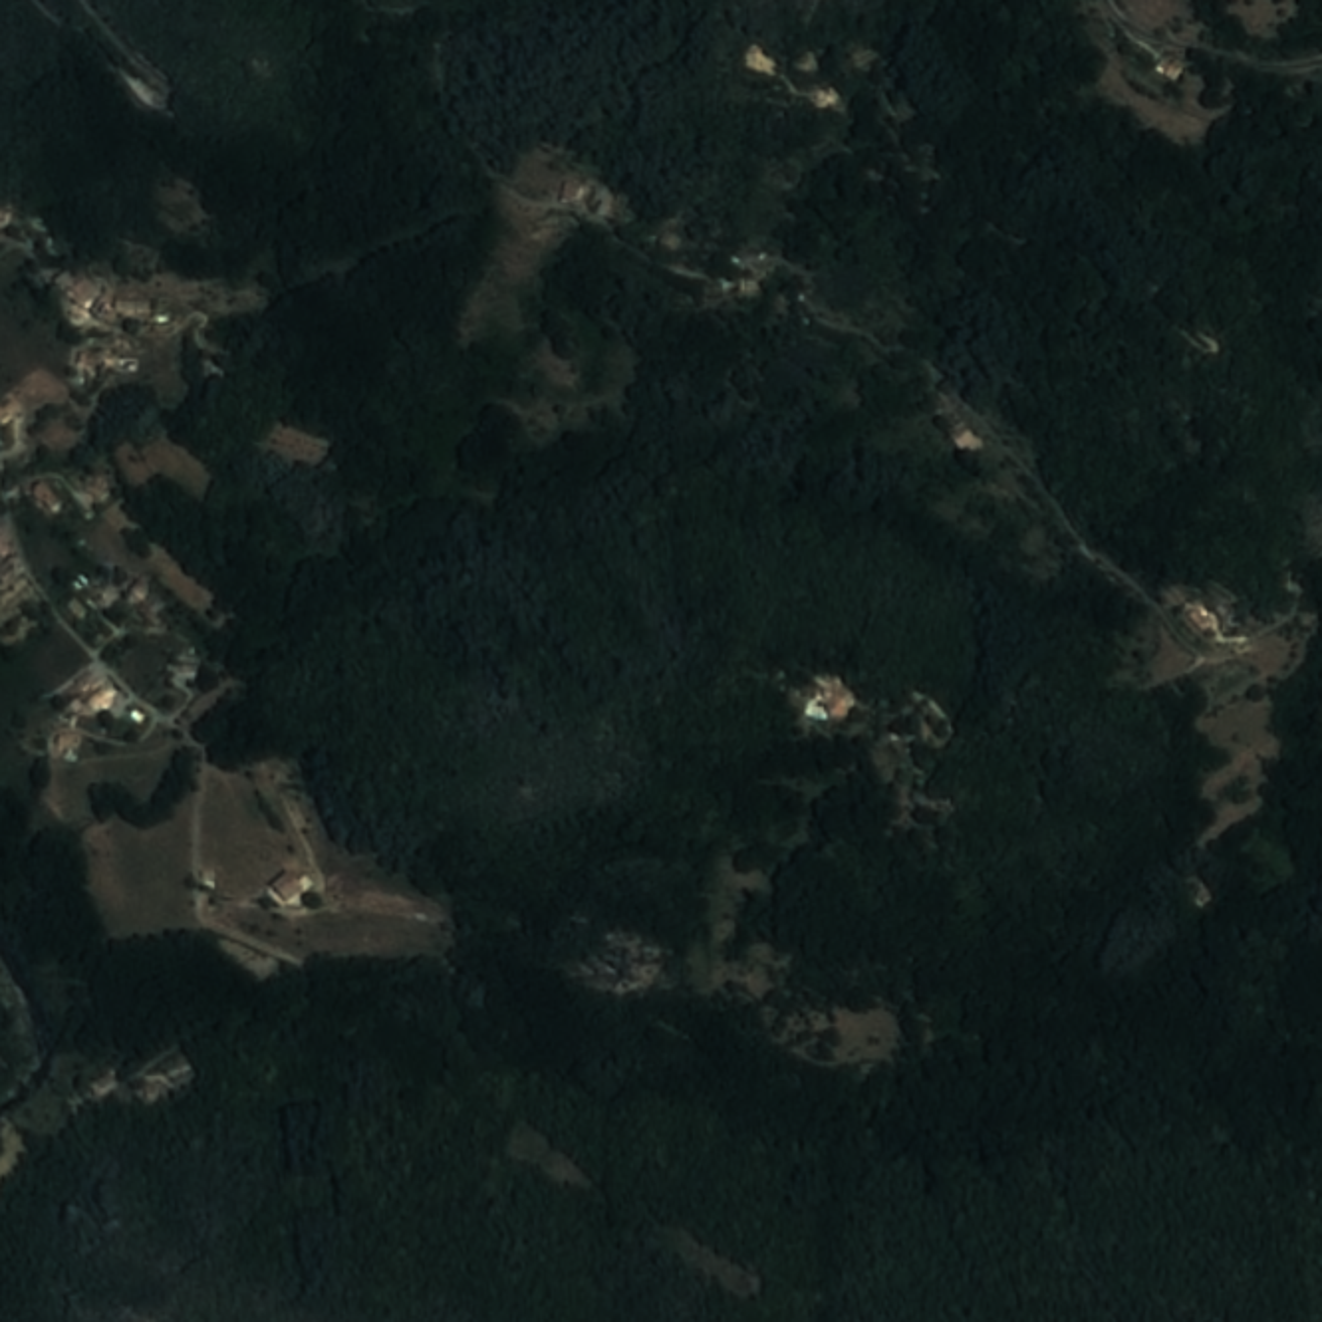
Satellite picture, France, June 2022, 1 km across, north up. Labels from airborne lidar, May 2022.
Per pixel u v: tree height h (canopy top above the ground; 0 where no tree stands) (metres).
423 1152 18
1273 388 10
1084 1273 15
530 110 25
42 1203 11
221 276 9
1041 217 12
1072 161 28
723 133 12
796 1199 15
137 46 13
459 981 20
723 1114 20
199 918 0
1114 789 18
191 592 0
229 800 0
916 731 19
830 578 13
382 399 12
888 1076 8
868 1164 9
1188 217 14
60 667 0
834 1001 10
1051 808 13
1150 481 15
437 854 24
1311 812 24
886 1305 16
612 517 10
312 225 17
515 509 20
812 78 10
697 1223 13
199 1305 8
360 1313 9
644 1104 16
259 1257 12
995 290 13
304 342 19
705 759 17
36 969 12
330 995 17
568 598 16
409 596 19
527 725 7
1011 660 22
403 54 18
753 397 15
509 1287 12
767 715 13
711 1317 8
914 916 13
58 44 16
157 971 21
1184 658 0
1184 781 19
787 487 18
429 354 10
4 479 8
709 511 20
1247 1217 19
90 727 0
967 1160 21
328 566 15
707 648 19
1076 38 9
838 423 21
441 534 18
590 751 10
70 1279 12
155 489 11
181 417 13
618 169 22
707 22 20
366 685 17
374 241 22
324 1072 16
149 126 20
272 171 24
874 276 9
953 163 17
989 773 11
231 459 16
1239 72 16
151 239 9
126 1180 11
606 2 15
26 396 0
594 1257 15
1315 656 15
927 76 25
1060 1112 24
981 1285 15
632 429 8
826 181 17
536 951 7
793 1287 14
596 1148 18
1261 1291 13
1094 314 15
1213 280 17
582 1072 26
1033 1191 19
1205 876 18
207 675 13
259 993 12
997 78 11
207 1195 6
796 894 16
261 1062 14
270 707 13
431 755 12
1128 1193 13
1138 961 32
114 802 20
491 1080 15
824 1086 14
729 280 8
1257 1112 28
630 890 11
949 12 14
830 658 12
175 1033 16
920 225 15
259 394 15
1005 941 18
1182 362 11
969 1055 19
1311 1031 22
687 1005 11
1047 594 14
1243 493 12
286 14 12
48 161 15
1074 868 12
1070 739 13
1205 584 16
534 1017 20
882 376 12
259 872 0
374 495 7
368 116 17
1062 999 14
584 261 18
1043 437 8
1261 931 26
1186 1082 23
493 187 11
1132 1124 23
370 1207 16
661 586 11
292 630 21
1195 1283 11
